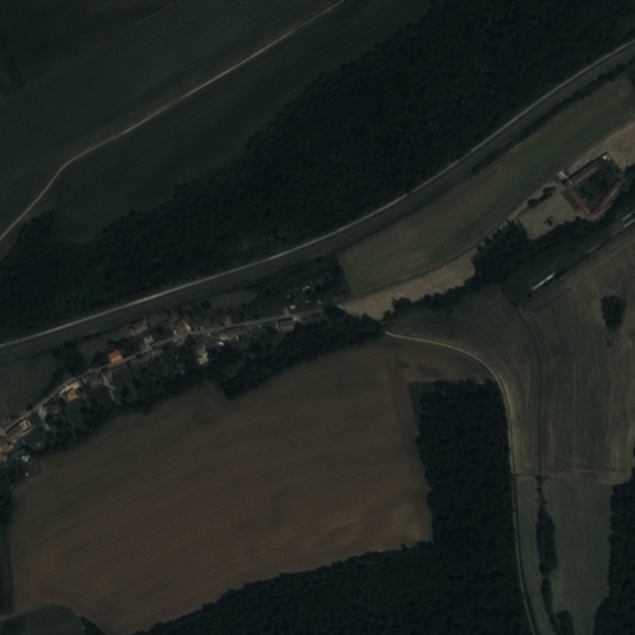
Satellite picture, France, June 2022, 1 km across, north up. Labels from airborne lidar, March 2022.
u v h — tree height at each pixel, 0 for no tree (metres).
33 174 0
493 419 23
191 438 0
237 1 0
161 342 0
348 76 12
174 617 0
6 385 0
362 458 0
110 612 0
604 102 0
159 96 0
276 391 0
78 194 0
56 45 0
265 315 0
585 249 0
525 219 0
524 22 17
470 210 0
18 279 19
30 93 0
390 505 0
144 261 17
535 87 18
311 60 0
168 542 0
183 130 0
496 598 26
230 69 0
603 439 0
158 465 0
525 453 0
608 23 14
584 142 0
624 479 0
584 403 0
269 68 0
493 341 0
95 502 0
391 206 0
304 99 7
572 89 0
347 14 0
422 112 12
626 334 0
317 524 0
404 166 22
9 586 0
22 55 0
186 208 11
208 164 0
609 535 0
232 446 0
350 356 0
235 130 0
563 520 0
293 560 0
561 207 0
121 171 0
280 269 0
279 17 0
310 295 11
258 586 15
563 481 0
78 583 0
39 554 0
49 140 0
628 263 0
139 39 0
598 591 0
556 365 0
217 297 0
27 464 0
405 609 11
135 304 0
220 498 0
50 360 0
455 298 16
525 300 0
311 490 0
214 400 0
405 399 0
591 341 0
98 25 0
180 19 0
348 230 0
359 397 0
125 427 0
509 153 0
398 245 0
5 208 0
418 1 0
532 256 8
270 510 0
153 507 0
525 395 0
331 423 0
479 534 21
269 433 0
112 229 12
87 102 0
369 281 0
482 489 16
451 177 0
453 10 21
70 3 0
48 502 0
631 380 0
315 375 0
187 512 0
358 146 21
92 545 0
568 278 0
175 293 0
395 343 0
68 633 0
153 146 0
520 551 0
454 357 0
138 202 0
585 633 0
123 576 0
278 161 14
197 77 0
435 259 0
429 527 0
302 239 8
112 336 0
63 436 10
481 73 8
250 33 0
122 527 0
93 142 0
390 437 0
